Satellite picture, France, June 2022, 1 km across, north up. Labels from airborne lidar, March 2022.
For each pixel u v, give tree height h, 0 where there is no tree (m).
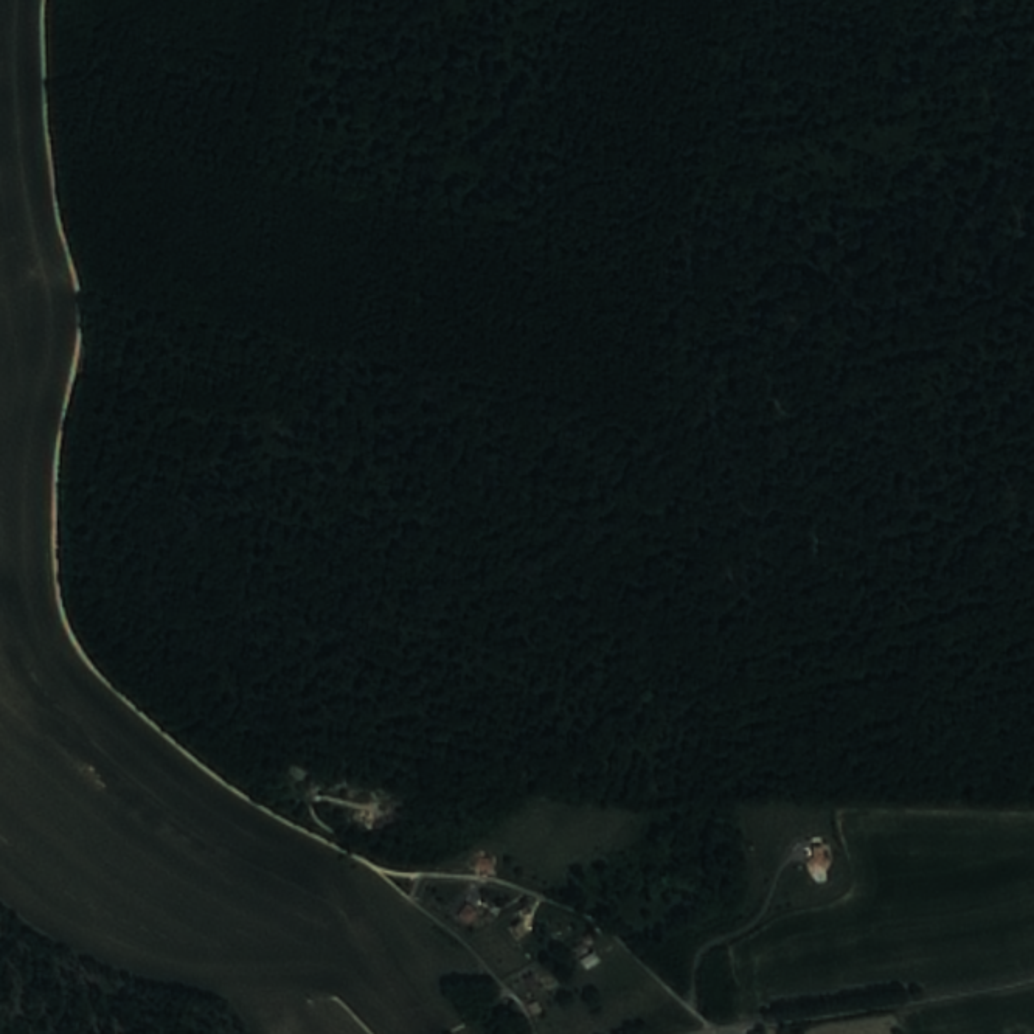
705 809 15
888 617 17
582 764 17
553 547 19
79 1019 17
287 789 8
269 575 16
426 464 21
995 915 0
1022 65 21
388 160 22
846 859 0
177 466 18
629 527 18
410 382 24
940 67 20
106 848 0
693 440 18
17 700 0
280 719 18
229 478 17
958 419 13
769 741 14
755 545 0
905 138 0
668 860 0
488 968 0
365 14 22
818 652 12
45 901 0
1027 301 18
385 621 16
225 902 0
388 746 11
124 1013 19
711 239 20
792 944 0
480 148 23
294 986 0
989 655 6
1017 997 0
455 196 22
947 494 5
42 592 0
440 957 0
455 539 15
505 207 22
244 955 0
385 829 10
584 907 18
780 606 14
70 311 0
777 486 16
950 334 20
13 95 0
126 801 0
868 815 0
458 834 7
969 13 0
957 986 0
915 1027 0
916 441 17
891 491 17
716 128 18
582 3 17
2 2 0
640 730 15
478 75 22
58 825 0
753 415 18
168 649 18
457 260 18
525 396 21
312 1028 0
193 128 17
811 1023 6
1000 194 20
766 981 0
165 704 23
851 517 18
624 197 20
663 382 16
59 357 0
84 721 0
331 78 19
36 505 0
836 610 16
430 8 23
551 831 0
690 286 24
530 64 23
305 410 0
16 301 0
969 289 22
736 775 10
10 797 0
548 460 20
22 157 0
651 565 20
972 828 0
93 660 18
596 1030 0
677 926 19
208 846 0
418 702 14
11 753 0
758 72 22
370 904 0
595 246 21
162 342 6
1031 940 0
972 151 6
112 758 0
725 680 18
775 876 0
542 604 19
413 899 0
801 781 19
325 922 0
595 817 0
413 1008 0
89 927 0
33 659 0
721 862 22
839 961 0
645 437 19
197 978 0
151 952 0
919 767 17
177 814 0
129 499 20
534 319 0
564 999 17
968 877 0
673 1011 0
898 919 0
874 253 22
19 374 0
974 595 17
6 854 0
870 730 15
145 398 17
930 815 0
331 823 11
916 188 20
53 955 19
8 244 0
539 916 0
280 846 0
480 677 15
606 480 14
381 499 20
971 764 20
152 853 0
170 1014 22
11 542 0
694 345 13
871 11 22
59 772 0
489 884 0
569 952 11
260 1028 0
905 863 0
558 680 6
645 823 0
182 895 0
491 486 23
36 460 0
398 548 19
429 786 18
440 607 19
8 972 19
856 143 0
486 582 19
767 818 0
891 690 18
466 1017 14
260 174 13
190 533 19
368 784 14
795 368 21
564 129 19
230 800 0
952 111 21
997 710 17
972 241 27
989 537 21
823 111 18
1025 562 18
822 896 0
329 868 0
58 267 0
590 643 18
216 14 8
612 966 0
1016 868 0
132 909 0
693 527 20
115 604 13
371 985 0
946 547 18
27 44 0
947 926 0
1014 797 17
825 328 23
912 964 0
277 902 0
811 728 14
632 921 0
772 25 19
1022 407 20
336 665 20
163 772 0
